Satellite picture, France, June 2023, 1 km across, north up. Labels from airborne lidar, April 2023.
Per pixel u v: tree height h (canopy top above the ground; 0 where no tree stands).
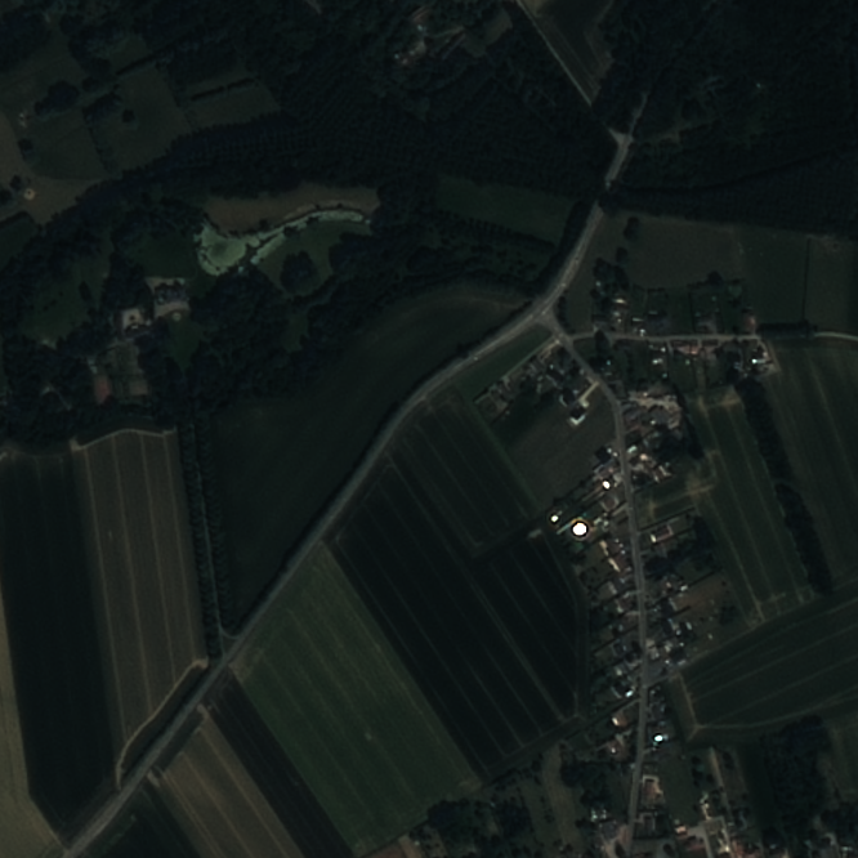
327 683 0
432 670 0
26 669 0
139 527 0
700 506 0
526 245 11
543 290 8
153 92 0
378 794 0
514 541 0
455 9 12
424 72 9
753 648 0
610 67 0
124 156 0
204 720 0
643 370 0
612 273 14
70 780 0
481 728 0
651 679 0
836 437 0
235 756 0
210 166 35
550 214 0
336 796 0
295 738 0
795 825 8
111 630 0
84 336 22
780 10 9
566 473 0
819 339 0
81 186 0
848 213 17
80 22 15
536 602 0
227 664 0
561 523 0
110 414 14
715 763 0
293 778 0
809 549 16
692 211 9
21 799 0
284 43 17
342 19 16
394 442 0
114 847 0
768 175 24
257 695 0
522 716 0
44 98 0
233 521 0
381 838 0
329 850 0
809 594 0
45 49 0
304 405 0
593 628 12
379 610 0
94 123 17
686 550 9
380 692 0
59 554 0
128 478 0
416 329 0
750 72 9
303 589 0
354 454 0
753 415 15
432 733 0
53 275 27
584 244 0
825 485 0
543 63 11
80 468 0
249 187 28
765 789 0
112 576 0
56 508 0
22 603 0
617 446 0
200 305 21
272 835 0
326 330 27
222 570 12
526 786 0
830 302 0
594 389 0
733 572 0
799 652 0
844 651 0
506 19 0
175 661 0
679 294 0
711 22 12
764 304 0
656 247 0
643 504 0
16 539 0
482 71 23
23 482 0
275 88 23
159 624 0
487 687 0
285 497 0
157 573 0
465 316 0
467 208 0
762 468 0
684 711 0
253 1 15
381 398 0
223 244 0
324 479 0
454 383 0
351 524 0
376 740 0
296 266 26
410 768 0
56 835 0
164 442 0
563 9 0
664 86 27
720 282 18
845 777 0
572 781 14
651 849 0
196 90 0
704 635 0
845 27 9
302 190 0
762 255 0
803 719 0
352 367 0
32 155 16
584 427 0
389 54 6
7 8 0
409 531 0
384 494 0
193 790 0
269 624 0
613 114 18
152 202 12
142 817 0
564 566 0
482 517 0
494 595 0
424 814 0
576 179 26
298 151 32
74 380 30
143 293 27
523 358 0
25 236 0
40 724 0
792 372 0
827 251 0
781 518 0
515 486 0
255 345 24
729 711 0
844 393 0
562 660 0
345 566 0
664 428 15
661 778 0
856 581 0
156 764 0
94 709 0
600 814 0
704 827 0
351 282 23
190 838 0
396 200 22
